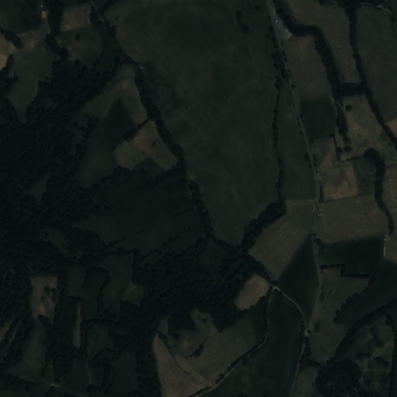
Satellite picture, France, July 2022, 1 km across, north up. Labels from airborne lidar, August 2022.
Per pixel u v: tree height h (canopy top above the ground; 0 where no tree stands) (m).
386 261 0
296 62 0
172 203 0
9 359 13
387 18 0
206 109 0
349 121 0
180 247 0
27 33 0
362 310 0
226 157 0
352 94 11
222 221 0
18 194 21
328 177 0
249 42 0
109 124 0
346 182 0
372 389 0
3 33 17
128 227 0
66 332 8
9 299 16
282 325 0
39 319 16
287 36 0
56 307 8
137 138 0
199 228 0
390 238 0
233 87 0
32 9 0
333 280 0
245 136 0
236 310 15
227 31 0
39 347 0
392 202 0
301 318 12
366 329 0
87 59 0
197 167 0
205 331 0
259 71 0
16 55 0
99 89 11
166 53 0
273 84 0
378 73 0
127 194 0
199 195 18
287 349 0
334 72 21
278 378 0
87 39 0
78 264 18
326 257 0
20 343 8
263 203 0
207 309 21
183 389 0
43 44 0
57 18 18
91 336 0
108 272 9
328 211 0
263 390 0
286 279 0
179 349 0
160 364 0
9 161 17
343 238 0
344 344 17
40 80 0
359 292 0
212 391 0
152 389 9
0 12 0
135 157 0
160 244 0
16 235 19
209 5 0
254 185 0
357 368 24
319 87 0
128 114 0
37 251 25
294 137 0
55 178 13
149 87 0
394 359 14
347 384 9
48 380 0
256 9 15
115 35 11
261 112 0
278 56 14
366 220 0
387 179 0
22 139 19
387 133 12
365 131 0
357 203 0
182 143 0
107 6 13
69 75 10
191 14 0
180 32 0
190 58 0
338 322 11
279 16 9
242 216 0
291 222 0
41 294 0
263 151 0
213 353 0
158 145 0
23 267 21
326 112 0
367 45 0
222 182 0
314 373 0
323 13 0
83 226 0
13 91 0
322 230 0
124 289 0
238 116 0
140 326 21
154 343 0
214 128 0
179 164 12
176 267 11
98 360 7
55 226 23
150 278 16
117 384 0
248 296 0
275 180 0
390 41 0
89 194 25
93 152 0
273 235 0
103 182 13
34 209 25
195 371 0
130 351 8
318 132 0
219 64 0
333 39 0
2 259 7
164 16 0
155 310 31
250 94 0
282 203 14
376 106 13
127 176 12
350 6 11
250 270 18
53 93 22
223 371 0
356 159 7
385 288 0
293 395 0
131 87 0
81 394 0
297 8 0
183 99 0
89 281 9
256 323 0
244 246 18
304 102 0
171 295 27
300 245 0
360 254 0
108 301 0
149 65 0
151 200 0
